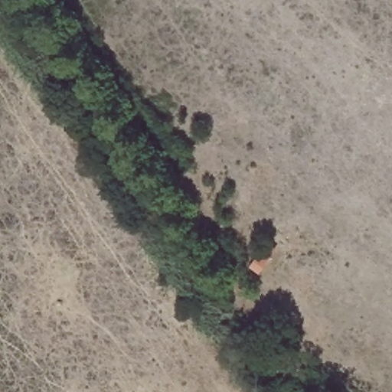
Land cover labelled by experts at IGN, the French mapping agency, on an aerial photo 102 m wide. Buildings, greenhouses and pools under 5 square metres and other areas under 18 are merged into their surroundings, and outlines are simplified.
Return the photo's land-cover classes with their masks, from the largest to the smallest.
<instances>
[{"label":"herbaceous vegetation","instance_id":"1","mask_svg":"<svg viewBox=\"0 0 392 392\"><path fill-rule=\"evenodd\" d=\"M115 15H107L104 18L106 26L101 31L104 32V41L115 54L116 61L127 72L132 73L133 84L142 87L145 96L158 95L165 90L170 93L173 103L187 107V112L191 115L198 112L208 113L213 119L210 138L202 144L194 145V161L198 165L207 162V171L213 176L219 171H224V165H228L230 178L236 182L233 198L227 201L228 207L234 208V230L245 237V243H250L254 222L263 219L273 220L276 228V247L268 259L257 262L263 269L259 274L262 280L260 291L263 296L274 289L291 292L292 299L302 314L305 331L303 338L322 348L320 358L323 363H337L341 372L354 369V377L369 381L371 384L377 383L380 392H392V0H110ZM78 152L73 147V139L64 132L63 127L49 121L38 100V93L32 90L31 84L21 78V73L14 64L6 61L5 49L0 47V392H240L237 387L228 384V371L217 363L216 349L207 345V335L196 331L191 320L179 322L175 317V289L159 285L156 262L145 253L144 248L139 247L138 234H130L119 228L109 204L101 199L100 190L95 187L92 179L78 175L75 161Z\"/></svg>","mask_w":392,"mask_h":392},{"label":"deciduous trees","instance_id":"2","mask_svg":"<svg viewBox=\"0 0 392 392\"><path fill-rule=\"evenodd\" d=\"M110 0H0V47L5 49L6 61L14 64L21 73V78L31 84L32 90L38 93V100L49 121L63 127L64 132L73 139V147L78 152L75 161L78 175L92 179L95 187L100 190L101 199L109 204L119 228L130 234H138L139 247L144 248L145 253L156 262L159 285L175 289V317L179 322L191 320L196 331L207 335V345L216 349L217 363L228 371V384L237 387L240 392H380L377 383L371 384L369 381L354 377V369L341 372L337 363H323L320 358L322 348L303 338L305 331L302 314L292 299L291 292L274 289L263 296L260 291L262 280L259 274L250 269L251 263L257 262L268 259L276 247V228L273 220L263 219L254 222L250 243H245V237L234 230V208L228 207L227 201L233 198L236 182L230 178L228 165H224V171H219L213 176L207 171V162L198 165L194 161V145L202 144L210 138L213 119L208 113L198 112L191 115L187 112V107L173 103L170 93L165 90L158 95L145 96L142 87L133 84L132 73L127 72L116 61L115 54L104 41V32L101 31L106 26L104 18L107 15H115Z\"/></svg>","mask_w":392,"mask_h":392},{"label":"building","instance_id":"3","mask_svg":"<svg viewBox=\"0 0 392 392\"><path fill-rule=\"evenodd\" d=\"M250 269L259 274L263 269L257 262L251 263Z\"/></svg>","mask_w":392,"mask_h":392}]
</instances>
